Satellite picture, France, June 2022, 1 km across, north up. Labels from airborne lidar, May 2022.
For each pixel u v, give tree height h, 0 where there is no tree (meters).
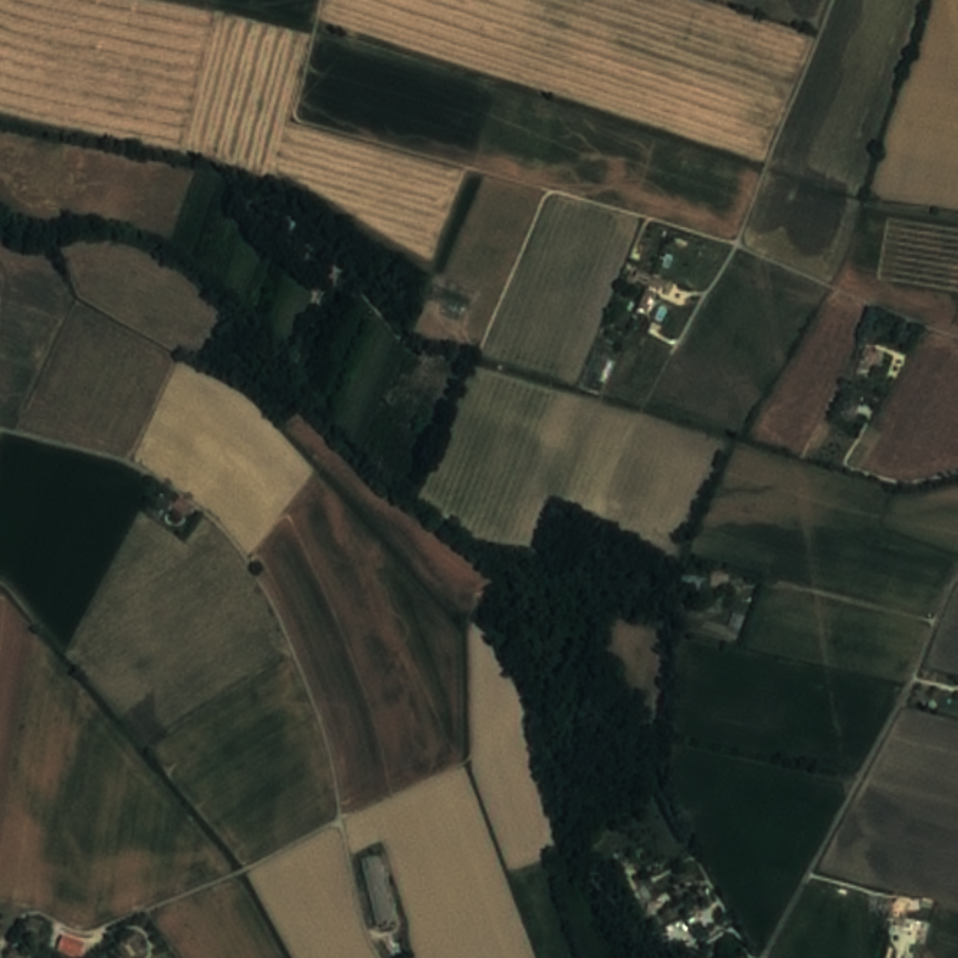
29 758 0
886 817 0
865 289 0
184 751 0
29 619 0
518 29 0
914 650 0
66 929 0
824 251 0
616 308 9
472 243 0
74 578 0
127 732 0
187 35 0
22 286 0
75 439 0
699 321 0
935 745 0
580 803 26
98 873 0
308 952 0
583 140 0
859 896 0
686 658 0
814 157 0
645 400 0
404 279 23
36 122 0
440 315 0
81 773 0
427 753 0
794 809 0
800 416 0
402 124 0
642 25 0
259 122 0
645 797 26
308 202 17
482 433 0
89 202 0
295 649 0
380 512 0
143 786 0
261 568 9
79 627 0
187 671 0
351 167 0
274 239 25
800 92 0
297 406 20
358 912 0
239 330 26
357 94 0
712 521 0
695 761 0
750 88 0
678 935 0
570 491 0
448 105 0
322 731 0
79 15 0
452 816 0
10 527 0
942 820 0
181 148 0
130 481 0
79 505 0
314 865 0
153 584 0
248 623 0
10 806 0
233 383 25
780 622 0
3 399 0
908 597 0
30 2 0
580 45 0
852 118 0
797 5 0
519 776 0
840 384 10
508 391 0
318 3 0
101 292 0
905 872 0
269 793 0
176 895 0
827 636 0
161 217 0
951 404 0
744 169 0
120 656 0
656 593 16
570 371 0
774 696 0
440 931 0
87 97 0
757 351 0
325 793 0
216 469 0
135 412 0
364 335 14
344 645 0
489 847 0
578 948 14
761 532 0
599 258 0
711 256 0
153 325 0
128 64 0
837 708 0
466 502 0
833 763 0
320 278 32
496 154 0
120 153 18
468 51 0
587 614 7
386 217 0
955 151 0
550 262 0
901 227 0
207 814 0
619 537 20
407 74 0
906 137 0
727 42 0
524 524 0
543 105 0
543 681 15
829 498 0
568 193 0
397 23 0
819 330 0
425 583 0
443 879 0
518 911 0
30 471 0
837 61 0
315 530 0
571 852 14
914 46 6
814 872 0
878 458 0
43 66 0
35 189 0
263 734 0
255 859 0
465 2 0
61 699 0
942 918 0
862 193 10
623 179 0
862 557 0
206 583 0
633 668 0
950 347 0
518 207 0
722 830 0
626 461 0
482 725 0
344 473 0
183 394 0
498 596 7
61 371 0
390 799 0
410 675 0
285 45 0
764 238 0
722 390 0
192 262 15
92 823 0
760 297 0
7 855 0
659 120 0
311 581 0
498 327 0
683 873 22
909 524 0
